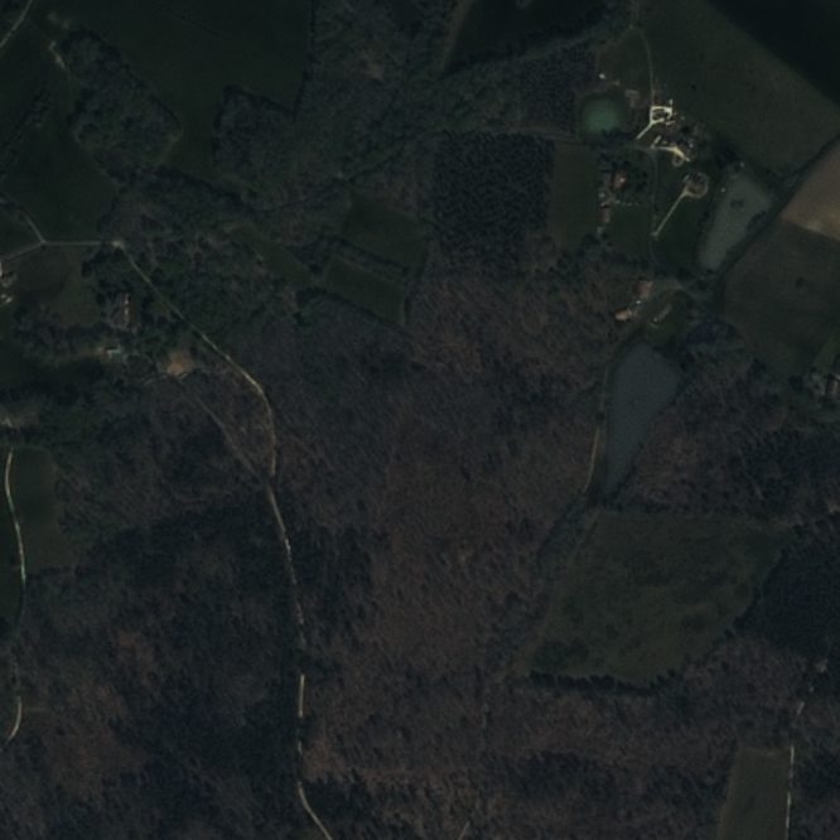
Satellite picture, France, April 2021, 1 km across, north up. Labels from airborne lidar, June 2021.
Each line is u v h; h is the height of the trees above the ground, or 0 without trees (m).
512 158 18
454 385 14
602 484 0
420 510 7
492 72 20
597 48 20
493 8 0
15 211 13
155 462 9
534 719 7
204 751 14
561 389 13
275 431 12
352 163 19
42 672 14
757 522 12
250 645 15
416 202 10
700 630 0
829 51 0
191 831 19
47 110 7
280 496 12
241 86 0
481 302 15
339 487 10
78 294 0
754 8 0
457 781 10
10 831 22
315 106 19
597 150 14
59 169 0
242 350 19
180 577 13
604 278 16
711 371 15
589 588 0
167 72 0
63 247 0
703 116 0
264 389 7
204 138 0
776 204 0
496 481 13
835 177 0
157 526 11
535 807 12
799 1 0
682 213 0
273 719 13
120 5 0
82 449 18
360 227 0
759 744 12
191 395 13
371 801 15
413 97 14
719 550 0
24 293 0
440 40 23
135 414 16
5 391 0
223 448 17
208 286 21
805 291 10
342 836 9
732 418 12
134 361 9
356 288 0
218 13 0
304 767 18
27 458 0
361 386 16
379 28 16
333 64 14
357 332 13
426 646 13
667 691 13
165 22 0
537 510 14
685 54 0
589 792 13
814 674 14
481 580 18
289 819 13
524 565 14
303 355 17
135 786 17
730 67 0
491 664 16
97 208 0
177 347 20
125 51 0
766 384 19
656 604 0
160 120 20
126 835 14
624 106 0
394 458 6
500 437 15
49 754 22
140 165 17
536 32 0
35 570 0
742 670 10
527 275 8
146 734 17
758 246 0
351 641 9
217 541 13
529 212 16
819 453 17
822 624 15
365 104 16
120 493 12
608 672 0
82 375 0
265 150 19
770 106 0
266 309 15
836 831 12
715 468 12
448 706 14
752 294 0
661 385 0
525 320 17
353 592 7
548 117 13
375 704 8
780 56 0
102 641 10
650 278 20
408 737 16
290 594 12
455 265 15
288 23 0
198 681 12
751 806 0
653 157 0
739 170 25
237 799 14
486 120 18
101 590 15
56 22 0
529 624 18
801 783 16
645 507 8
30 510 0
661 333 0
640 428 0
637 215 0
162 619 20
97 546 15
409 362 16
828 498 16
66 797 19
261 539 11
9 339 0
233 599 17
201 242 14
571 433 13
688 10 0
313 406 16
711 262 0
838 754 7
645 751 12
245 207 18
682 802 10
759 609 13
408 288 9
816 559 16
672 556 0
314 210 19
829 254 0
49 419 24
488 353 16
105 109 17
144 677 10
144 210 17
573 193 0
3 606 0
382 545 14
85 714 19
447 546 14
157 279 11
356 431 18
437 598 16
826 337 0
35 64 0
